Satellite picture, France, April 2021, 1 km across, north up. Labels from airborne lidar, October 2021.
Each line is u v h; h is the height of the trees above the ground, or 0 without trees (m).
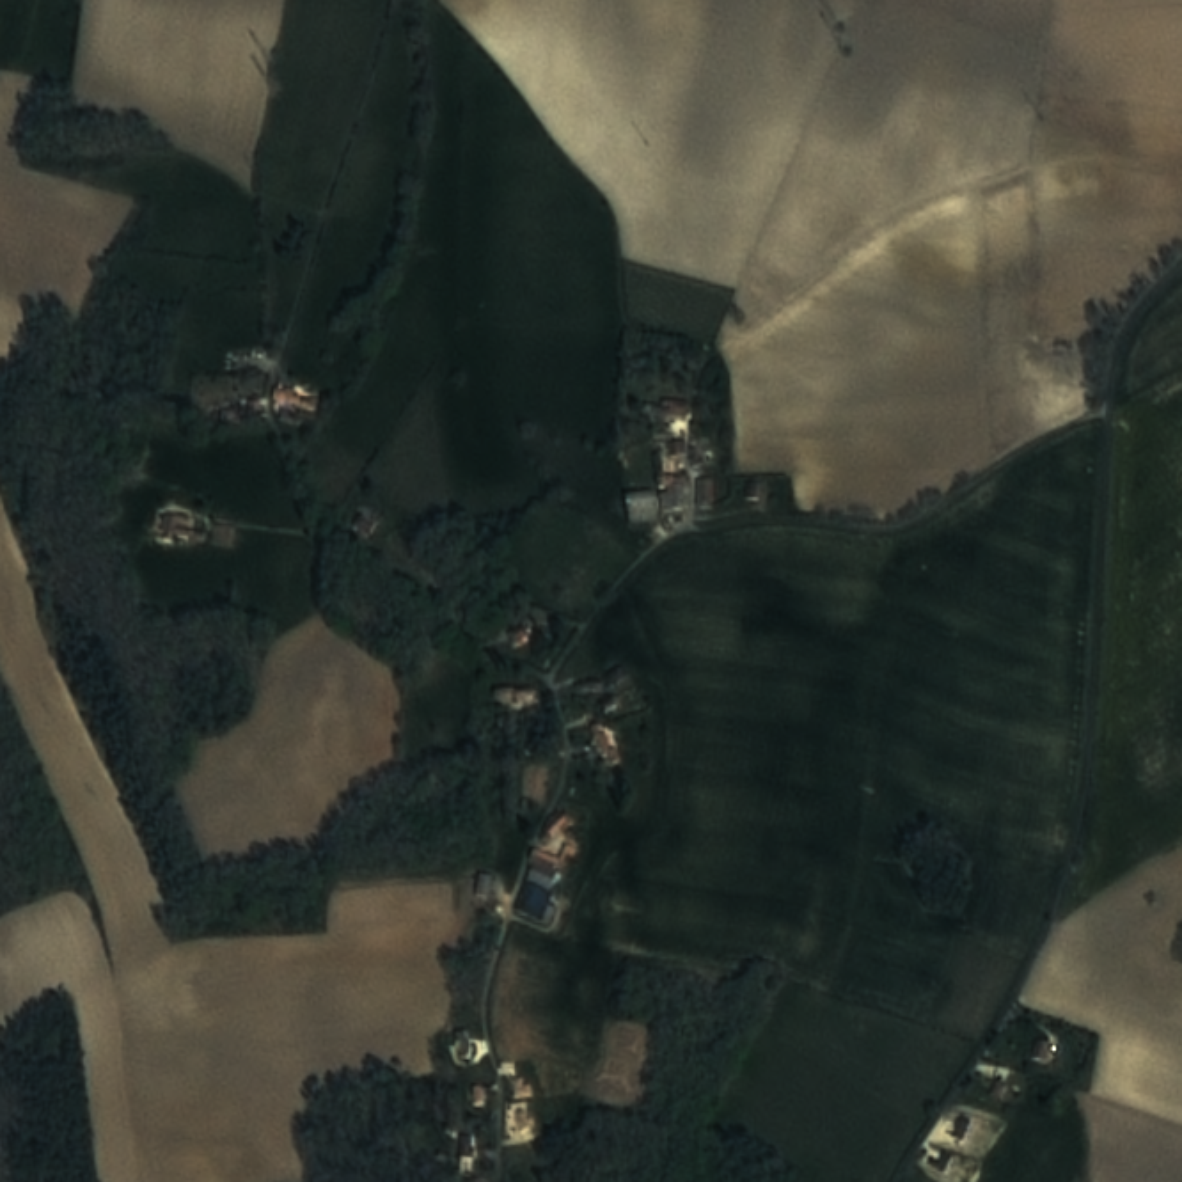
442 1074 11
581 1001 0
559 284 0
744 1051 13
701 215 0
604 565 0
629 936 0
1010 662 0
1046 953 0
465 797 20
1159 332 0
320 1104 23
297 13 0
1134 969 0
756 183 0
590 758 7
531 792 0
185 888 19
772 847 0
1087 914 0
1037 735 0
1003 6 0
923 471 0
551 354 0
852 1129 0
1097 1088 0
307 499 11
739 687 0
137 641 19
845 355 0
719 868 0
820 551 0
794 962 0
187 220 0
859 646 0
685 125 0
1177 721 0
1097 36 0
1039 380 0
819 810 0
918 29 0
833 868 0
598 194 0
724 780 0
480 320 0
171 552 0
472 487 0
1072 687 0
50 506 18
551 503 11
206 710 21
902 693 0
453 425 0
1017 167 0
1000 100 0
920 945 0
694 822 0
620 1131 18
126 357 10
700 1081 26
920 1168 0
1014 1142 0
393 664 19
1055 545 0
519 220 0
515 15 0
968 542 0
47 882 24
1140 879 0
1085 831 0
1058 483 0
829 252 0
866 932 0
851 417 0
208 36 0
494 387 0
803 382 0
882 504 0
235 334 0
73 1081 19
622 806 23
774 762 0
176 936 16
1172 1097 0
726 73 0
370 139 0
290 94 0
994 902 0
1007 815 0
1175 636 0
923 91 0
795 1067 0
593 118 0
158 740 24
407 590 22
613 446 17
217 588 0
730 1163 17
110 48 0
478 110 0
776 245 0
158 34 0
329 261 0
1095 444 0
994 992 0
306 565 0
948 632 0
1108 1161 0
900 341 0
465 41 0
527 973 0
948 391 0
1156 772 0
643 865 0
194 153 0
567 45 0
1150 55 0
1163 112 0
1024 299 0
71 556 17
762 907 0
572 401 0
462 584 25
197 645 22
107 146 21
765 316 0
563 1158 24
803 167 0
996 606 0
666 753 0
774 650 0
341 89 0
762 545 0
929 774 0
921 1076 0
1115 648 0
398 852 24
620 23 0
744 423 0
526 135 0
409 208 17
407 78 0
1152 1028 0
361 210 0
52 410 20
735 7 0
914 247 0
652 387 12
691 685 0
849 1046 0
